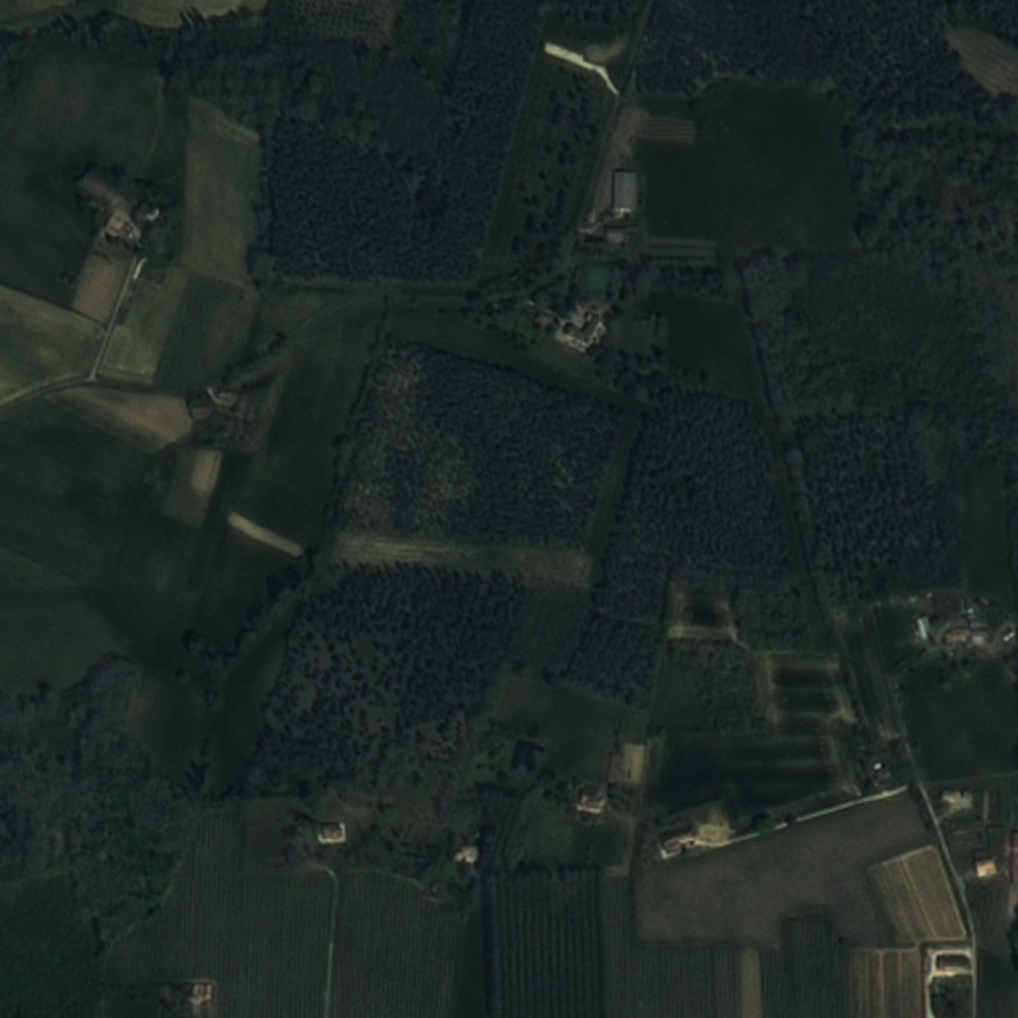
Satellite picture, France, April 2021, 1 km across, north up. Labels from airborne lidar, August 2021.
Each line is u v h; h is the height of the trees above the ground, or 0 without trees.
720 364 0
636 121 0
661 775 0
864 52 11
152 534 0
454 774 12
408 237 15
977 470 9
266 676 0
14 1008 6
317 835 21
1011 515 9
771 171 0
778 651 15
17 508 0
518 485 16
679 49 9
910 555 20
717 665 8
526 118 16
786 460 16
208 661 17
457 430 15
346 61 17
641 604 11
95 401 0
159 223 11
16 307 0
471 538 14
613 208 6
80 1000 7
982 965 0
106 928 19
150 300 0
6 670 0
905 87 10
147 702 0
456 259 17
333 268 15
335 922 0
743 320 0
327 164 17
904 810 0
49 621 0
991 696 0
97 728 22
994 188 15
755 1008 0
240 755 0
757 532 16
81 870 20
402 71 19
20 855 10
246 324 0
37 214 0
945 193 17
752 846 0
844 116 12
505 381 14
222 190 0
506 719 0
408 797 0
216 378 0
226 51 24
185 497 0
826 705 0
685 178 0
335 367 0
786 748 0
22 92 9
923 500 17
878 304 19
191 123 0
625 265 10
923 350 21
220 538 0
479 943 0
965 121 11
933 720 0
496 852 24
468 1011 0
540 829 0
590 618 13
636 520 12
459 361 12
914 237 22
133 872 19
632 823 0
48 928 6
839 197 0
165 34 6
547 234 13
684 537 14
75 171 0
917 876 0
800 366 25
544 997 24
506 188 11
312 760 14
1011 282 17
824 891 0
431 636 13
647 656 10
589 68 0
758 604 15
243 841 0
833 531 15
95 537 0
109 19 14
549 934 23
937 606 8
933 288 19
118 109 0
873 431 12
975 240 21
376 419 13
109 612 0
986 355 20
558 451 8
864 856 0
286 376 0
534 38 15
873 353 20
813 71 12
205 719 0
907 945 0
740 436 15
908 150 23
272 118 20
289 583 0
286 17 15
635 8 14
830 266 16
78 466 0
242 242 0
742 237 0
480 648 11
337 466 10
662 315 7
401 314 0
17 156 0
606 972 23
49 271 0
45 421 0
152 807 29
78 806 20
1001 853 0
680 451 13
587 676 16
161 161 0
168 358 0
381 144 17
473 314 7
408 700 8
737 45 9
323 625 15
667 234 0
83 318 0
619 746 7
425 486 12
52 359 0
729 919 0
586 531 11
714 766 0
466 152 18
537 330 14
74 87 0
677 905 0
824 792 0
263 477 0
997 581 0
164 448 0
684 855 8
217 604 0
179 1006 6
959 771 0
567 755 0
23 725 16
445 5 11
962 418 15
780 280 21
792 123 0
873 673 0
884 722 0
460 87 19
